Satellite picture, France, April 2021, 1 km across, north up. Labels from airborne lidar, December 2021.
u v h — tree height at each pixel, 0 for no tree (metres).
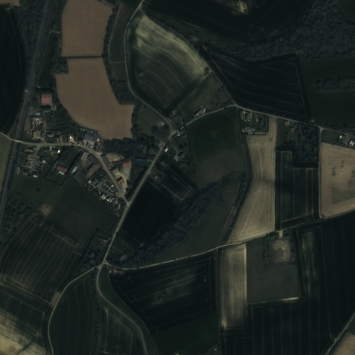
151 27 0
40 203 0
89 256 16
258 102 0
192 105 0
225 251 0
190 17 0
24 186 0
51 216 0
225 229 0
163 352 0
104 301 0
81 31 0
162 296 0
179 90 0
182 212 7
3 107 0
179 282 0
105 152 10
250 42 0
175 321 0
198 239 0
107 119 0
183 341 0
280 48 17
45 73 0
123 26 0
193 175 0
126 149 16
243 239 0
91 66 0
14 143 9
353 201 0
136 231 0
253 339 0
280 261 0
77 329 0
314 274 0
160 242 18
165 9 0
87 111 0
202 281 0
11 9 0
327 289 0
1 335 0
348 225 0
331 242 0
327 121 0
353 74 0
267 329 0
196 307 0
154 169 0
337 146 0
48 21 9
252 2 0
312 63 0
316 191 0
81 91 0
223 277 0
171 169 0
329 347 0
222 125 0
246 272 0
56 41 19
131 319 0
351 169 0
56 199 0
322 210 0
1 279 0
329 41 9
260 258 0
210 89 0
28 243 0
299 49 11
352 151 0
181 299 0
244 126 0
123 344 0
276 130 0
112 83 13
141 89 0
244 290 0
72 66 0
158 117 0
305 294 0
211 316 0
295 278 0
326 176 0
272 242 0
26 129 0
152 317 0
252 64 0
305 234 0
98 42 0
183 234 14
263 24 0
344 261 0
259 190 0
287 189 0
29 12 8
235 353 0
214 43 0
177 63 0
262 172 0
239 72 0
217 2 0
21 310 0
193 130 0
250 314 0
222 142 0
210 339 0
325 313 0
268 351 0
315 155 11
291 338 0
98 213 0
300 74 0
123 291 0
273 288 0
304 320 0
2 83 0
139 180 15
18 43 0
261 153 0
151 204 0
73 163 9
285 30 0
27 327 0
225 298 0
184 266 0
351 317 0
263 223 0
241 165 0
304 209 0
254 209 0
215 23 0
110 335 0
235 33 0
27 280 0
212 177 0
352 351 0
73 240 0
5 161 0
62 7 8
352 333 0
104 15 0
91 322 0
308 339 0
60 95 0
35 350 0
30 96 0
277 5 0
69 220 0
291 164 0
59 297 0
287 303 0
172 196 0
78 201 0
